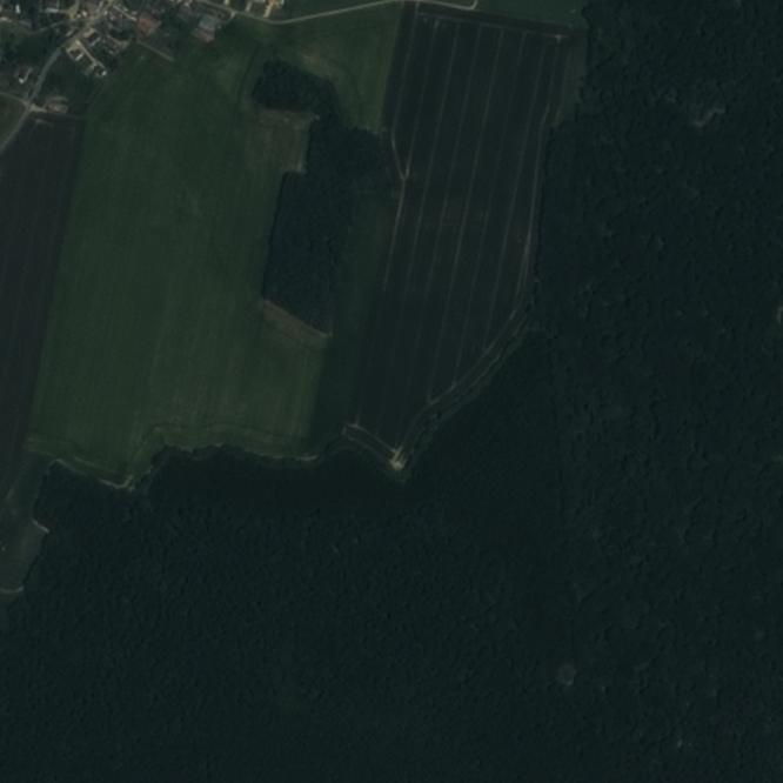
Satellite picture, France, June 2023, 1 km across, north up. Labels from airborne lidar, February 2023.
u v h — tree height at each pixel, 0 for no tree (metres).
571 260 21
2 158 0
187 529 16
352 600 19
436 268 0
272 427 0
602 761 19
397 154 0
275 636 14
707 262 22
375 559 17
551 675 20
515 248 0
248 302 0
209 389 0
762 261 22
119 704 18
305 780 17
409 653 16
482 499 12
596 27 12
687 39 21
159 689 17
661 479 19
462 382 0
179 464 5
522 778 12
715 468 23
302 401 0
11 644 17
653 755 18
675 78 21
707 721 22
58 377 0
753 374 22
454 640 19
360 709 15
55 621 19
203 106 0
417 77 0
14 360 0
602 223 17
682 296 25
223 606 16
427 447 7
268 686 18
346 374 0
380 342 0
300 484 7
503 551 12
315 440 0
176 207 0
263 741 17
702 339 24
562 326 24
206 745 15
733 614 24
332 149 18
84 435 0
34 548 0
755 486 20
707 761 13
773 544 23
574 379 24
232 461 6
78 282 0
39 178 0
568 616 12
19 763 17
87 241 0
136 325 0
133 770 9
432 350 0
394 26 0
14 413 0
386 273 0
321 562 17
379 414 0
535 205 0
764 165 20
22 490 0
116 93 0
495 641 20
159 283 0
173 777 12
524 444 13
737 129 21
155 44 0
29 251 0
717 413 21
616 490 22
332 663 15
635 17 17
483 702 18
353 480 6
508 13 0
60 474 15
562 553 10
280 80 16
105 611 20
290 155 0
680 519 23
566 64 0
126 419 0
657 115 17
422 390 0
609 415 22
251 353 0
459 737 18
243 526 19
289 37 0
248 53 0
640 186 22
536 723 18
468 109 0
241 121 0
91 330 0
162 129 0
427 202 0
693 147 24
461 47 0
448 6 0
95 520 17
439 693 15
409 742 16
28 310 0
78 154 0
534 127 0
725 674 24
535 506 11
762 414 23
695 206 19
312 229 24
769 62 21
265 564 19
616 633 21
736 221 23
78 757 18
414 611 19
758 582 22
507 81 0
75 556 20
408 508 6
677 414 22
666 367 24
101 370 0
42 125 0
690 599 21
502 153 0
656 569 21
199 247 0
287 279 17
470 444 7
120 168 0
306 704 16
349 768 16
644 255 20
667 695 23
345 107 0
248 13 0
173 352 0
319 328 14
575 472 21
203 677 16
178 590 20
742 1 20
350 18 0
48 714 19
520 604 10
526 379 8
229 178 0
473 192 0
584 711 21
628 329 25
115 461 0
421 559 20
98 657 18
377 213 0
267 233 0
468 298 0
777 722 17
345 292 0
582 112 17
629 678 22
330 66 0
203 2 0
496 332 0
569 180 19
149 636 18
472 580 21
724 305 23
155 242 0
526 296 0
